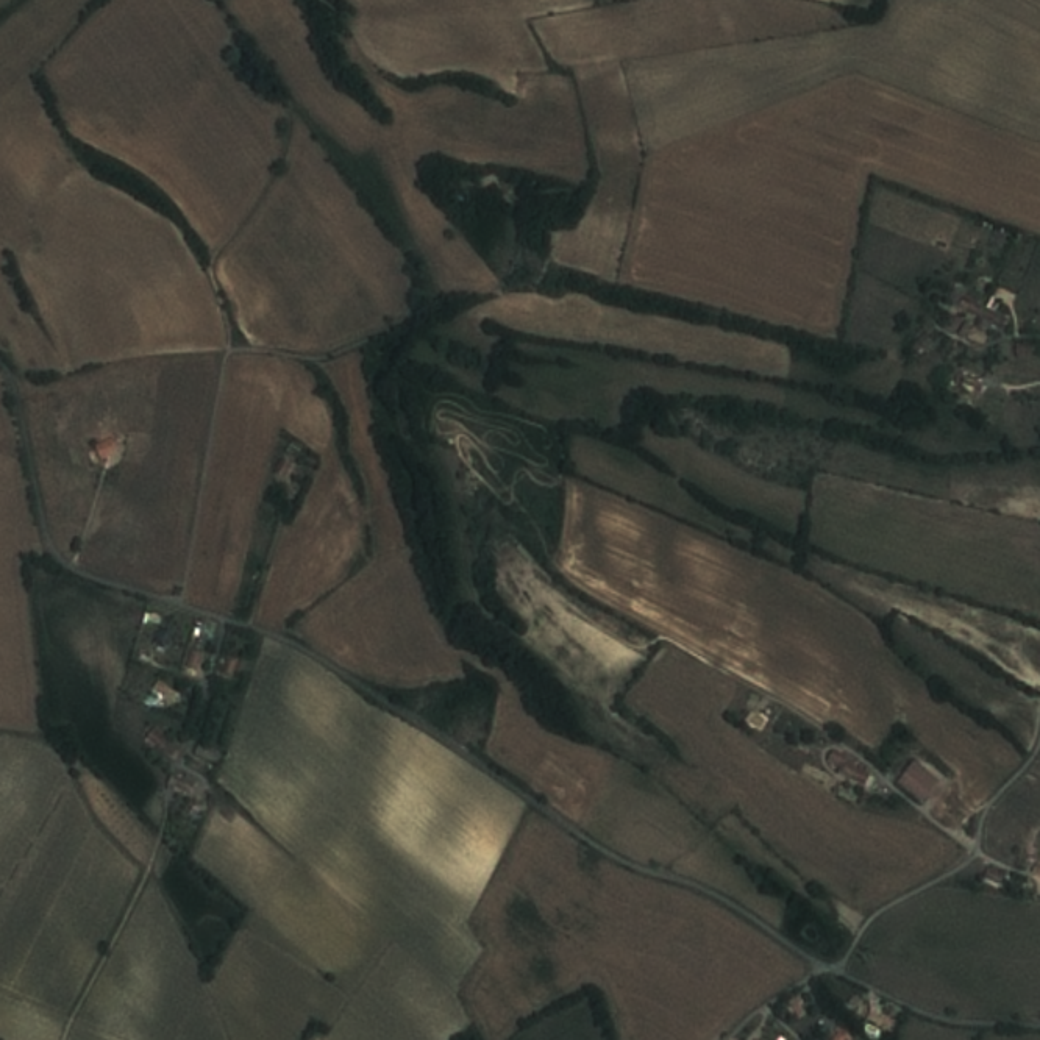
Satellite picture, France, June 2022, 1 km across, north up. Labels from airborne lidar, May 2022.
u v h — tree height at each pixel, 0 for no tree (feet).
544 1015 28
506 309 0
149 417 0
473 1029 26
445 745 0
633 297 33
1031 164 0
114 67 0
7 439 0
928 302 19
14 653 0
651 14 0
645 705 0
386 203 0
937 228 0
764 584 0
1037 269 0
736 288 0
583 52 0
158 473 0
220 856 0
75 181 0
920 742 0
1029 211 0
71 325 0
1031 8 0
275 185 0
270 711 0
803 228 0
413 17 0
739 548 29
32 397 0
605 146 0
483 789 0
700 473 0
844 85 0
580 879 0
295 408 0
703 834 0
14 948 0
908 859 0
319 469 27
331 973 27
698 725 0
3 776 0
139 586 0
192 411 0
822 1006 38
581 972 0
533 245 36
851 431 52
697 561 0
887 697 0
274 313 0
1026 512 0
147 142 0
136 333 0
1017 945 0
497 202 52
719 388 0
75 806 0
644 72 0
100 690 0
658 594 0
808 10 0
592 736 28
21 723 0
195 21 0
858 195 0
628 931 0
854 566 20
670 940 0
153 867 0
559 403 0
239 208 0
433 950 0
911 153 0
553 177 23
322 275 0
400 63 0
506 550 0
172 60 0
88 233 0
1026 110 0
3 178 0
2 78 0
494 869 0
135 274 0
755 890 0
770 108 0
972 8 0
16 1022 0
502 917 0
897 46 0
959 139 0
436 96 0
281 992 0
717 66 0
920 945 0
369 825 0
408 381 60
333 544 0
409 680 0
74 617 0
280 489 22
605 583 0
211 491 0
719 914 0
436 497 36
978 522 0
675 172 0
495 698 20
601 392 0
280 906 0
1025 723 0
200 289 0
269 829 0
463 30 0
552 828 0
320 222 0
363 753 0
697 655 0
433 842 0
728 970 0
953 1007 26
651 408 48
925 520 0
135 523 0
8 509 0
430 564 52
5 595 0
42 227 0
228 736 25
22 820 0
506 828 0
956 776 0
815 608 0
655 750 0
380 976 0
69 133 25
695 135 0
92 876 0
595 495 0
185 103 0
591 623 0
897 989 0
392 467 47
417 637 0
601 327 0
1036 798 0
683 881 0
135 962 0
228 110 0
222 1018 0
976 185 0
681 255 0
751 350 0
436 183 43
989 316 0
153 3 0
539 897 0
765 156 0
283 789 0
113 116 0
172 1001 0
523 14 0
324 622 0
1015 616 36
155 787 0
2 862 0
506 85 0
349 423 29
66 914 0
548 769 0
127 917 0
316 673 0
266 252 0
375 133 0
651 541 0
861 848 0
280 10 0
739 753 0
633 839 0
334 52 45
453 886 0
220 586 0
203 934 0
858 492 0
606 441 39
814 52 0
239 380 0
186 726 33
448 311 64
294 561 0
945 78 0
